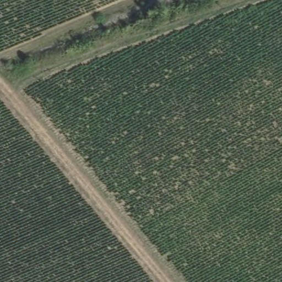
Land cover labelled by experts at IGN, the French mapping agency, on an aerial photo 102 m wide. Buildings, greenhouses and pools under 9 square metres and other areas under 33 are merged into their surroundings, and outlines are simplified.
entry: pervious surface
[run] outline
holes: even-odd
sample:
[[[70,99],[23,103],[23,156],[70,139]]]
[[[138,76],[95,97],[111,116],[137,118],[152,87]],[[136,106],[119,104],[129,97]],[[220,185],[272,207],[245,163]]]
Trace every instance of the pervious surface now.
[[[0,76],[0,90],[28,121],[30,128],[39,133],[40,140],[64,164],[68,170],[65,175],[67,178],[73,175],[96,206],[104,211],[104,215],[113,225],[111,230],[153,282],[173,282],[144,249],[142,242],[131,234],[104,197],[67,158],[42,124],[25,107],[17,93]]]

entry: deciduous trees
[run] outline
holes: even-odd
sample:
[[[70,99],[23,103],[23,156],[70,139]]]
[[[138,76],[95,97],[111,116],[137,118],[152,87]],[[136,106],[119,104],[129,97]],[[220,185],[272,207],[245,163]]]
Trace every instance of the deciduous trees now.
[[[184,3],[169,8],[166,6],[167,1],[160,1],[158,7],[148,12],[147,19],[138,20],[130,25],[130,35],[140,29],[152,30],[156,24],[173,20],[176,15],[187,9],[187,4]]]

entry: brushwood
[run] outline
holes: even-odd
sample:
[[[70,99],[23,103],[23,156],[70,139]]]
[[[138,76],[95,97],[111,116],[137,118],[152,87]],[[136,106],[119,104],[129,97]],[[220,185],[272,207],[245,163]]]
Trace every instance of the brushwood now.
[[[117,37],[122,36],[120,24],[116,22],[109,25],[98,23],[97,29],[70,37],[65,43],[66,53],[79,55],[94,51],[97,48],[95,41],[101,37],[108,42],[115,41]]]
[[[25,64],[12,65],[13,76],[24,79],[32,74],[35,61],[29,58]]]
[[[187,9],[192,13],[198,12],[200,8],[210,9],[213,4],[209,0],[159,0],[160,1],[167,1],[166,6],[169,8],[184,3],[187,4]]]

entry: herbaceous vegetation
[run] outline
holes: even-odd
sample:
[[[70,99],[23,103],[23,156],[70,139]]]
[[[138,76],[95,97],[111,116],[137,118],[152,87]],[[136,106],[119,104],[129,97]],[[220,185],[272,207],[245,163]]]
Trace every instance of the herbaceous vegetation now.
[[[113,225],[104,215],[104,211],[96,206],[73,175],[67,178],[69,184],[75,187],[111,230]]]
[[[39,133],[30,128],[28,121],[0,90],[0,100],[65,175],[68,170],[64,164],[40,140]]]
[[[140,29],[130,35],[130,25],[138,20],[147,19],[148,12],[158,7],[160,1],[159,0],[115,0],[96,9],[96,13],[91,14],[88,11],[0,52],[0,76],[17,93],[25,107],[42,124],[67,158],[104,197],[131,234],[142,242],[144,249],[173,282],[187,282],[183,274],[175,269],[174,264],[167,261],[164,254],[161,254],[143,234],[137,221],[130,217],[130,213],[124,210],[124,200],[117,202],[115,196],[119,193],[108,191],[107,186],[96,176],[93,167],[89,167],[83,156],[75,152],[72,143],[66,142],[64,134],[55,128],[41,105],[36,104],[24,90],[37,80],[50,78],[63,69],[70,69],[78,64],[86,64],[95,57],[155,40],[156,37],[185,29],[189,24],[214,19],[218,14],[227,14],[246,8],[248,4],[257,4],[265,0],[209,0],[213,4],[210,9],[200,8],[198,12],[192,13],[187,9],[176,15],[173,20],[156,24],[152,30]],[[109,25],[116,22],[120,24],[122,36],[117,37],[115,41],[108,42],[101,37],[95,41],[97,48],[94,51],[79,55],[66,53],[65,43],[70,37],[97,29],[98,23]],[[13,76],[12,65],[25,64],[29,58],[35,61],[32,74],[24,79]]]

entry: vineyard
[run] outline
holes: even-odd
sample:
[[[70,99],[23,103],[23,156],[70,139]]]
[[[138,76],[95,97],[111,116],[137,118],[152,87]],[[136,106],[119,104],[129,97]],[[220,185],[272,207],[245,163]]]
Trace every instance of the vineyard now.
[[[0,0],[0,52],[88,11],[91,14],[96,13],[96,9],[115,0]]]
[[[50,78],[37,80],[24,90],[36,104],[41,105],[55,128],[64,134],[66,142],[72,143],[75,152],[83,156],[89,167],[93,167],[96,176],[107,186],[108,191],[119,193],[115,196],[117,202],[124,200],[124,210],[130,213],[130,217],[137,221],[143,234],[161,254],[164,254],[167,261],[174,264],[175,269],[183,274],[187,282],[282,282],[282,0],[265,0],[257,4],[248,4],[246,8],[227,14],[218,14],[214,19],[189,24],[185,29],[156,37],[155,40],[95,57],[86,64],[78,64],[70,69],[63,69]]]
[[[69,184],[67,178],[65,175],[0,100],[0,282],[153,282],[111,230],[75,187]]]

